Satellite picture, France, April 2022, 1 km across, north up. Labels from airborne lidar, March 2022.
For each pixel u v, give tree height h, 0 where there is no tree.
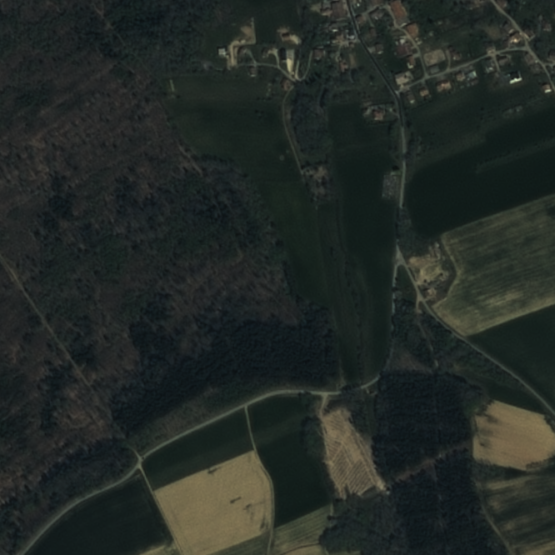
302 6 0
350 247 0
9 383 7
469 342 0
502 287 0
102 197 9
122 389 30
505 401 0
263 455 0
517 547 0
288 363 25
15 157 15
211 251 13
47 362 6
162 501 0
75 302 12
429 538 16
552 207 0
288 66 0
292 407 0
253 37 0
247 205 18
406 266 0
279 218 0
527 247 0
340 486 0
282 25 0
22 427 6
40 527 26
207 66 0
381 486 0
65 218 13
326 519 0
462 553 20
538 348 0
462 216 0
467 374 0
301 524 0
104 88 9
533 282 0
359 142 0
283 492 0
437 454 19
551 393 0
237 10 0
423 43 0
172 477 0
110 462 25
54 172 27
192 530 0
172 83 0
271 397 0
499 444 0
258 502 0
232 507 0
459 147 0
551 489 0
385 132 0
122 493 0
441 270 0
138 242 22
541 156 0
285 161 0
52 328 9
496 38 0
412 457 21
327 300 0
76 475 33
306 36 12
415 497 15
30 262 16
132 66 13
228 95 0
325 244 0
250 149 0
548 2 16
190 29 17
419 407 18
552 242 0
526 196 0
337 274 0
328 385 18
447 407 23
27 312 8
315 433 24
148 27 16
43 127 8
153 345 18
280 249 20
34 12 9
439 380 25
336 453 0
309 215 0
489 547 19
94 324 10
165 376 26
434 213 0
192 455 0
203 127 0
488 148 0
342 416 0
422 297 0
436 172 0
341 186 0
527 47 0
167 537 0
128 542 0
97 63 9
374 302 0
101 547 0
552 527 0
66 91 6
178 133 13
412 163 19
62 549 0
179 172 19
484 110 8
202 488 0
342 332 0
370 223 0
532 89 0
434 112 0
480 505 24
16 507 20
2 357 8
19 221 10
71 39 10
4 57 11
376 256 0
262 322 12
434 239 0
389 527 10
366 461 0
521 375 0
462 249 0
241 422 0
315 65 0
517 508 0
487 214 0
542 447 0
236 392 19
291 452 0
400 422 24
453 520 21
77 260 15
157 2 18
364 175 0
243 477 0
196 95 0
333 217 0
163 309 20
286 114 0
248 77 0
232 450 0
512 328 0
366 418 17
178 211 17
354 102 0
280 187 0
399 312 12
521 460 0
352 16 0
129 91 24
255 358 22
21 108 10
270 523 0
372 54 0
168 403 22
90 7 10
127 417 25
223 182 23
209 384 22
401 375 19
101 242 15
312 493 0
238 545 0
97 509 0
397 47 0
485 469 22
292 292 15
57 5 9
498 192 0
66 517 0
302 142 20
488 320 0
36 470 9
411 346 21
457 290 0
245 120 0
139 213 26
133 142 11
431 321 14
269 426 0
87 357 16
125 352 12
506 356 0
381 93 0
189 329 9
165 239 10
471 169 0
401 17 0
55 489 30
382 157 0
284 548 0
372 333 0
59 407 27
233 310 28
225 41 0
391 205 0
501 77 0
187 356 10
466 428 22
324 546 19
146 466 0
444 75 0
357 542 21
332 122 0
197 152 0
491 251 0
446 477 21
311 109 25
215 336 32
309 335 23
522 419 0
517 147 0
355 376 0
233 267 8
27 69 11
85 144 8
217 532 0
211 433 0
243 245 12
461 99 0
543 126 0
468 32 0
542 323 0
